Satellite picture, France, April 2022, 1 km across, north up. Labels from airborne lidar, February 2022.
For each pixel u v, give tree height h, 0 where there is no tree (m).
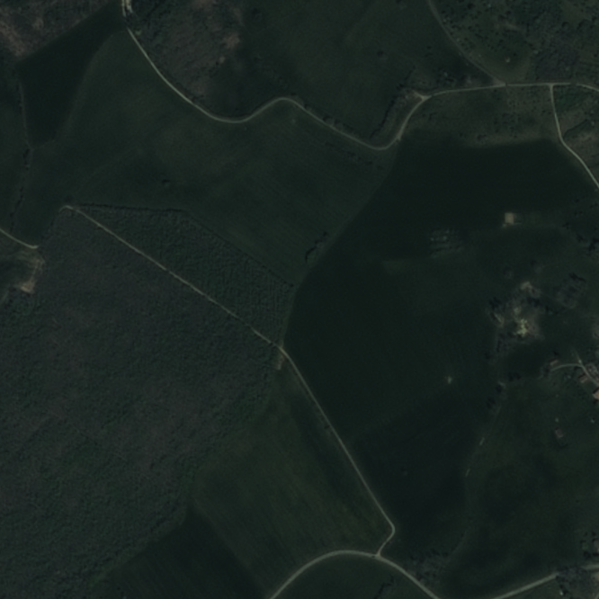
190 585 0
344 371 0
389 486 0
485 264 0
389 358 0
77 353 0
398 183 0
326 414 0
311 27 0
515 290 0
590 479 0
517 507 0
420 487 0
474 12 14
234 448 0
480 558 0
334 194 0
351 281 0
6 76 0
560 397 0
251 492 0
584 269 0
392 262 0
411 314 0
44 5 0
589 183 0
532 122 0
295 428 0
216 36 0
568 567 0
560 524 0
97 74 0
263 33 0
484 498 0
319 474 0
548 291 0
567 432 0
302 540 0
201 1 0
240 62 0
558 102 7
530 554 0
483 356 0
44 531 0
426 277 0
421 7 0
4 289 0
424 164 0
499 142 0
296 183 0
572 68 10
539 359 0
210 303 8
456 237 0
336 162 0
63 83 0
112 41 0
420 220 0
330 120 13
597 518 0
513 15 10
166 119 0
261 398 13
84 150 0
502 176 0
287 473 0
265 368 9
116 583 0
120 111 0
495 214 0
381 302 0
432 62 0
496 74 0
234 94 0
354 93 0
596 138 0
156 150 0
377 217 0
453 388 0
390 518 0
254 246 0
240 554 0
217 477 0
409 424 0
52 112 0
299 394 0
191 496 0
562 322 0
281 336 8
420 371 0
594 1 0
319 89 0
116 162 0
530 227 0
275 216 0
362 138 5
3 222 0
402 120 0
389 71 0
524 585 0
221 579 0
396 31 0
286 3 0
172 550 0
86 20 0
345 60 0
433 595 0
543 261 0
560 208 0
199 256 8
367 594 0
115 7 0
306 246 0
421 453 0
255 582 0
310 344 0
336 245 0
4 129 0
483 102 0
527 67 0
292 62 0
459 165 0
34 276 0
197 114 0
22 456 0
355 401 0
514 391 0
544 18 16
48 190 0
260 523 0
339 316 0
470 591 0
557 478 0
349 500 0
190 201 0
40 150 0
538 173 0
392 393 0
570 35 6
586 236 0
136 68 0
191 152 0
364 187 0
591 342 0
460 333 0
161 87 0
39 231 0
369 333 0
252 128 0
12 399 0
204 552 0
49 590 16
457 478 0
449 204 0
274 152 0
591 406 0
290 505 0
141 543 10
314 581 0
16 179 0
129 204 0
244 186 0
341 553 0
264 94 0
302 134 0
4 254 0
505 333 0
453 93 0
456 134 0
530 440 0
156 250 6
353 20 0
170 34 0
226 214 0
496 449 0
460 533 0
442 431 0
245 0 15
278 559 0
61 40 0
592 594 15
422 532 0
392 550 0
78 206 13
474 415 0
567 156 0
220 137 0
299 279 0
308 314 0
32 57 0
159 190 0
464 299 0
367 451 0
